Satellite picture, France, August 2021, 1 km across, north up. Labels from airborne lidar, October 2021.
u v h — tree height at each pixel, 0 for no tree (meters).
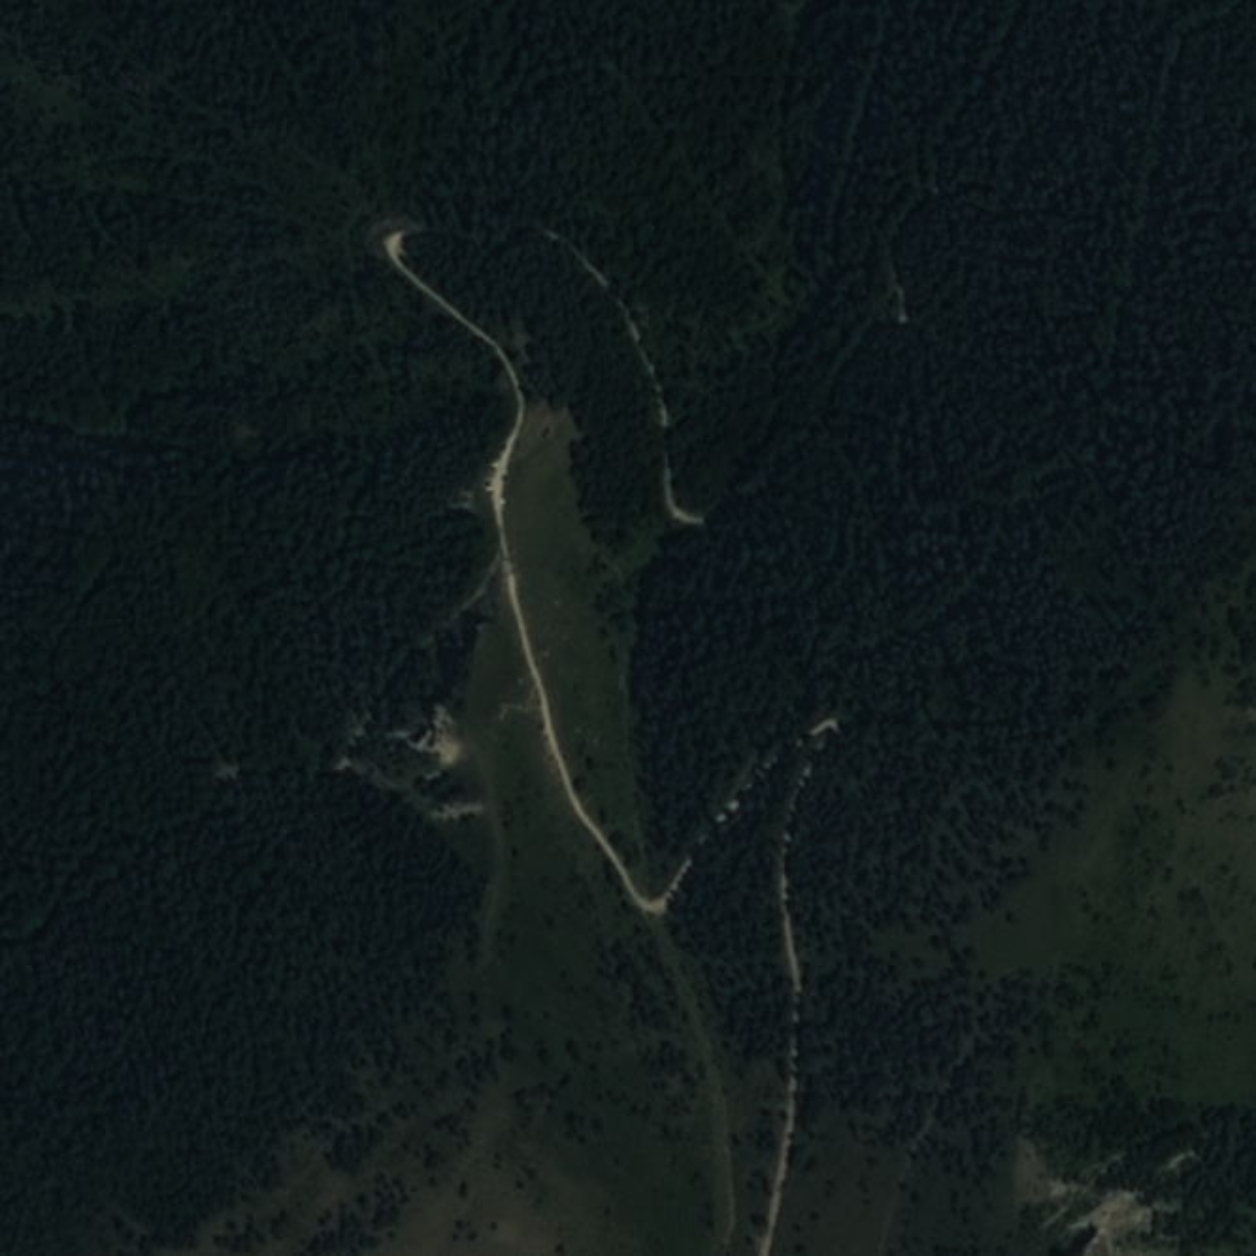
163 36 26
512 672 0
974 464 15
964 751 17
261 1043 8
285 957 7
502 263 28
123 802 19
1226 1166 24
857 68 26
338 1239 8
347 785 15
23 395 26
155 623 17
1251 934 0
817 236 14
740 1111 0
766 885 12
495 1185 0
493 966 0
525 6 21
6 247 26
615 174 8
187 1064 10
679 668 25
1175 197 25
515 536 0
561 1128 0
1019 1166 0
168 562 21
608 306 14
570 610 0
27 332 21
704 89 25
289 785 14
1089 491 11
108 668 23
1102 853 0
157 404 22
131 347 28
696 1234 0
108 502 20
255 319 8
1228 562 9
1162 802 0
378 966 10
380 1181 8
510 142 27
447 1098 0
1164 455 26
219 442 21
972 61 19
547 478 0
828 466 10
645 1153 0
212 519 22
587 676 0
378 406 8
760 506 12
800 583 17
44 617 21
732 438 24
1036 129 13
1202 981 0
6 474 22
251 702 14
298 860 17
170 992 8
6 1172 7
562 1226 0
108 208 22
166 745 10
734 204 9
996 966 0
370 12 8
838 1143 0
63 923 26
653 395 11
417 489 17
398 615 24
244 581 22
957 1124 10
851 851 7
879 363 11
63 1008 19
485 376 7
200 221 18
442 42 15
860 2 11
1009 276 23
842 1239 0
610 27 14
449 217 30
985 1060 9
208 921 16
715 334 14
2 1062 20
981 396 16
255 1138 6
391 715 7
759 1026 13
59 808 19
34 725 20
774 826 15
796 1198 0
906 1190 8
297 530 23
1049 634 19
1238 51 14
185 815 20
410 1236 0
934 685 19
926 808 11
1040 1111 7
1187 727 0
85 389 29
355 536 16
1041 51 18
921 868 6
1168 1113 14
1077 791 10
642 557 0
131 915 13
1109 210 26
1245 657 10
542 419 0
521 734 0
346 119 8
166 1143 6
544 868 0
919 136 8
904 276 13
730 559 11
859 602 24
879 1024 12
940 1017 12
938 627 11
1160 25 16
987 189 7
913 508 28
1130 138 21
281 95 17
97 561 24
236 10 14
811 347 21
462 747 0
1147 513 21
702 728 19
